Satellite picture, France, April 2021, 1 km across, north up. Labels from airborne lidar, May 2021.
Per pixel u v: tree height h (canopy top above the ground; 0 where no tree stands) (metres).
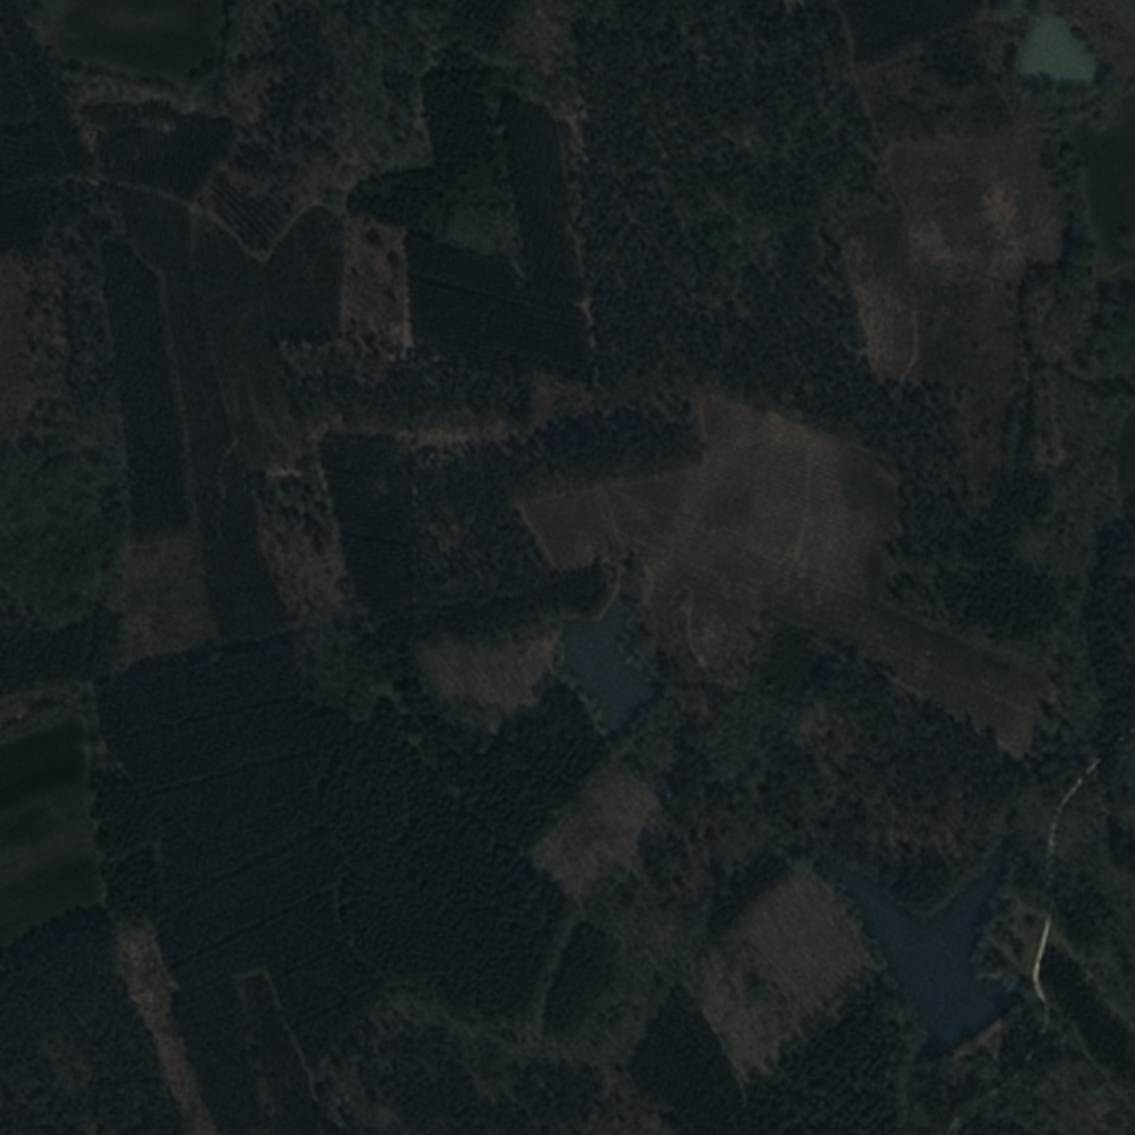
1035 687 0
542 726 22
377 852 21
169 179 8
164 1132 25
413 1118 20
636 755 11
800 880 21
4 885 0
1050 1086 19
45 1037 26
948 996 0
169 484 19
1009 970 18
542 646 20
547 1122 17
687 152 25
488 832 23
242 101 8
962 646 0
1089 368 26
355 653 15
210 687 19
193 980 14
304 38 18
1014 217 0
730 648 0
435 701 18
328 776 13
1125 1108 10
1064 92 14
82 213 15
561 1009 16
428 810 21
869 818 9
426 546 26
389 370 25
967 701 0
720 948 22
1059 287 12
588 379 12
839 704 27
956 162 0
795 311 27
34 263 9
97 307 15
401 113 16
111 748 15
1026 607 18
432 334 11
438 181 10
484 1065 14
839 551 0
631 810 23
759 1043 22
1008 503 18
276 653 14
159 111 7
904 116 7
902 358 0
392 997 15
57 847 0
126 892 23
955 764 25
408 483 9
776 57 26
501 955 21
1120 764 23
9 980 28
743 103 25
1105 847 24
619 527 0
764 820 19
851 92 18
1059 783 24
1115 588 0
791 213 22
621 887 17
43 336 11
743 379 28
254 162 14
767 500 0
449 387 27
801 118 24
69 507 17
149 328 17
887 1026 23
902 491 0
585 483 29
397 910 20
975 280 0
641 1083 15
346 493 11
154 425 15
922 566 22
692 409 11
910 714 20
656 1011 15
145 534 17
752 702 11
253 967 17
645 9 19
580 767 20
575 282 7
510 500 26
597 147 25
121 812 21
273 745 16
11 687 13
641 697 0
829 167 22
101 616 15
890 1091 17
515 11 15
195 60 0
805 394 21
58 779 0
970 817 11
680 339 26
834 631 0
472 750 15
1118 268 0
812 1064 22
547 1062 14
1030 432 16
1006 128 6
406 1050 15
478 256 11
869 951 10
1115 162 0
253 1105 14
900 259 0
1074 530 11
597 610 17
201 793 19
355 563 11
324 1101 17
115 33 0
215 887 17
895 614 0
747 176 25
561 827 21
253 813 17
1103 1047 8
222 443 7
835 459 0
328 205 13
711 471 0
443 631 18
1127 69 0
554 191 9
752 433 0
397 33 25
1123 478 0
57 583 16
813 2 15
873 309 0
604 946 18
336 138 15
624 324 27
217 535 7
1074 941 21
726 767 22
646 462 29
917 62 6
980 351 12
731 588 0
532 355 13
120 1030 26
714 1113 18
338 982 14
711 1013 18
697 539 0
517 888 21
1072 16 6
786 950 24
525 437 27
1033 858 19
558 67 12
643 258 26
